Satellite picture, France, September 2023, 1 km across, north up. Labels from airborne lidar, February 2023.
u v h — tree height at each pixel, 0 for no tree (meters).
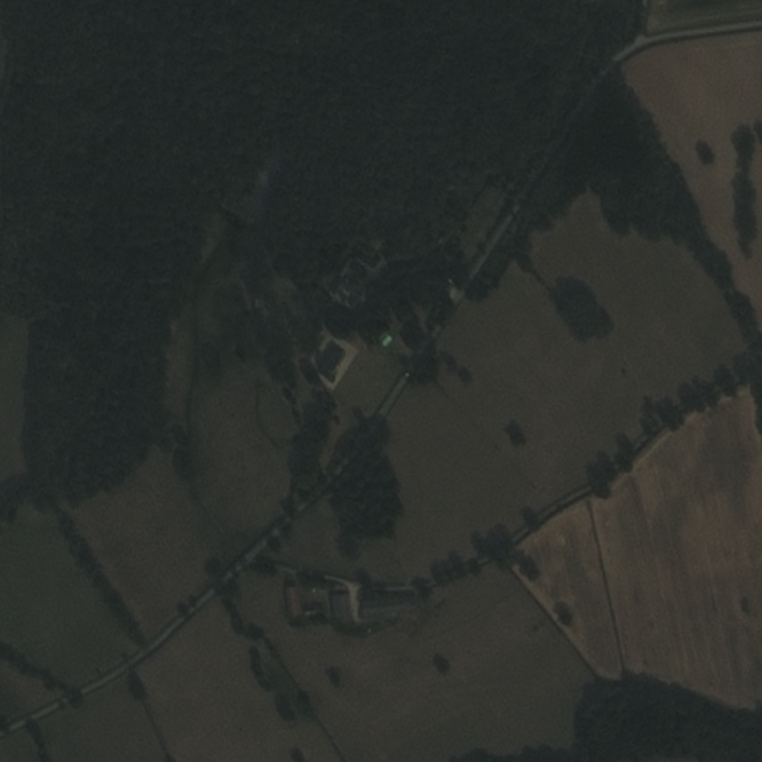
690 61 0
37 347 22
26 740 0
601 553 0
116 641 0
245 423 0
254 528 0
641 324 0
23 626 0
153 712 0
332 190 28
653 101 0
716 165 0
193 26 32
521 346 0
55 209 24
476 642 0
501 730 0
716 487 0
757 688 0
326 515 0
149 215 28
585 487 0
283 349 23
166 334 25
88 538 0
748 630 0
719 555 0
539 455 0
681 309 0
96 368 24
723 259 19
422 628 0
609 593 0
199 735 0
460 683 0
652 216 22
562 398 0
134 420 33
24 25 26
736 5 0
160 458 0
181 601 0
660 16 0
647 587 0
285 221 24
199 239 23
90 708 0
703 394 21
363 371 0
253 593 0
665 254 0
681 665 0
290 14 21
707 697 0
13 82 12
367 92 29
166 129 23
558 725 0
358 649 0
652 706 22
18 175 19
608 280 0
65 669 0
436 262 14
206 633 0
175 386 0
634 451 15
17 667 10
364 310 17
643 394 0
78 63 20
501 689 0
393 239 25
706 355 0
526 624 0
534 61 26
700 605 0
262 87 26
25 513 0
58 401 23
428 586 14
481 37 27
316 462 20
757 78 0
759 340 18
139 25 18
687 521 0
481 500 0
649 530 0
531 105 21
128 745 0
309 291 23
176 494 0
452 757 0
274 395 0
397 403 0
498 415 0
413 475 0
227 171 27
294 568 0
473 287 22
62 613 0
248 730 0
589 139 18
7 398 0
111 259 24
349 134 30
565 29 21
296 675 0
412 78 26
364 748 0
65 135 20
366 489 18
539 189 16
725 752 25
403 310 21
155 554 0
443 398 0
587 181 11
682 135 0
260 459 0
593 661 0
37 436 21
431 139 24
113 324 26
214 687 0
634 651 0
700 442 0
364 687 0
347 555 18
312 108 24
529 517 18
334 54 22
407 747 0
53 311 23
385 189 28
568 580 0
